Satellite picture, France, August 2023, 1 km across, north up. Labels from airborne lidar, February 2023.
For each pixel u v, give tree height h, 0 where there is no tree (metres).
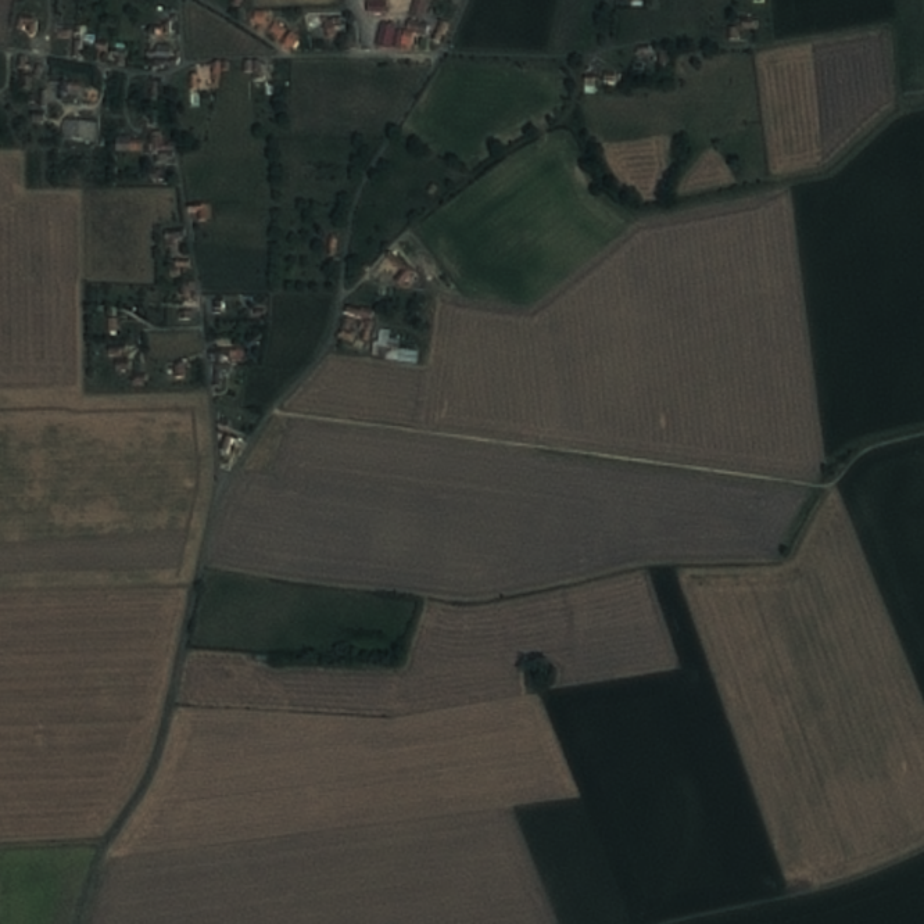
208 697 0
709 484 0
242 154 0
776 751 0
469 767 0
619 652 0
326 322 0
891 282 0
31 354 0
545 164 0
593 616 0
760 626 0
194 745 0
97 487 0
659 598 0
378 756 0
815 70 0
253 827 0
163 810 0
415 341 0
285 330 0
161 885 0
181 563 0
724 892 0
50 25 0
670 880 0
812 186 0
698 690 0
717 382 0
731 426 0
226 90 0
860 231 0
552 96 0
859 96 0
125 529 0
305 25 0
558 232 0
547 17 0
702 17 0
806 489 0
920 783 0
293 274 7
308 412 0
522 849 0
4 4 0
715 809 0
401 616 0
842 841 0
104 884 0
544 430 0
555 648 0
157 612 0
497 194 0
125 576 0
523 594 0
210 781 0
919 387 0
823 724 0
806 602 0
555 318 0
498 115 0
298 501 0
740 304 0
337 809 0
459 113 0
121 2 0
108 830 0
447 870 0
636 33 0
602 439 0
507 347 0
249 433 9
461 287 0
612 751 0
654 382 0
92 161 0
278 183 14
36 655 0
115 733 0
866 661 0
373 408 0
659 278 0
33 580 0
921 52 0
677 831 0
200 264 0
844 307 0
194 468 0
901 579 0
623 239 0
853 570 0
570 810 0
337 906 0
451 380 0
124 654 0
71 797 0
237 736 0
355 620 0
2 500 0
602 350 0
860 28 0
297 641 0
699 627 0
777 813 0
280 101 15
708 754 0
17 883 0
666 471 0
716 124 0
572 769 0
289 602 0
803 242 0
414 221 10
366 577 0
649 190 0
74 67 8
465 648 0
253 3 0
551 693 0
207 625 0
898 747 0
